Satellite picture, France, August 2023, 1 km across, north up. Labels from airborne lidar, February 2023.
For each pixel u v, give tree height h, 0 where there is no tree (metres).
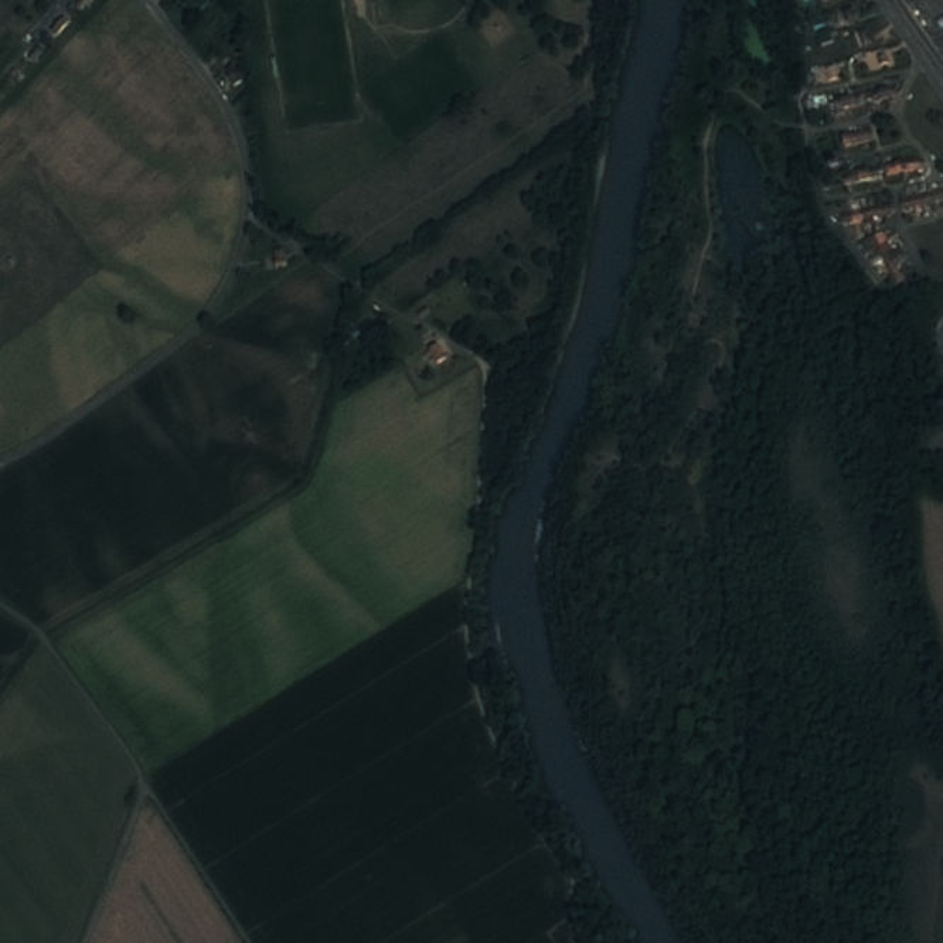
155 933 0
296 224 9
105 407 0
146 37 0
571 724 0
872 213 0
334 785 0
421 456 0
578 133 14
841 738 12
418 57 0
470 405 0
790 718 25
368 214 0
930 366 11
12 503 0
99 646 0
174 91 0
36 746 0
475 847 0
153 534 0
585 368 0
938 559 0
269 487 0
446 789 0
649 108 0
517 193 0
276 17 0
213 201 0
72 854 0
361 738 0
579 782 0
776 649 12
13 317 0
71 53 0
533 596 0
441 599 0
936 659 16
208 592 0
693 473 0
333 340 9
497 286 16
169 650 0
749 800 19
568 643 24
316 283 0
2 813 0
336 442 0
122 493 0
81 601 0
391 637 0
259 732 0
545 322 13
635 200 0
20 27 0
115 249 0
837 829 18
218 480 0
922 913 0
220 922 0
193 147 0
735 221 0
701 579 6
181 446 0
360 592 0
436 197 0
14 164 0
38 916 0
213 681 0
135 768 0
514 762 18
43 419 0
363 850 0
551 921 0
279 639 0
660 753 15
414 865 0
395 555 0
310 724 0
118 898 0
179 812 0
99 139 0
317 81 0
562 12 0
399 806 0
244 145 0
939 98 0
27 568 0
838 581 0
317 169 0
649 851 19
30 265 0
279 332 0
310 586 0
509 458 12
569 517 20
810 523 9
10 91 0
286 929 0
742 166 0
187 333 0
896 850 9
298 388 0
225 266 0
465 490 0
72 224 0
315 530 0
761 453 15
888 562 9
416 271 0
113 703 0
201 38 0
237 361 0
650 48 0
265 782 0
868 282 7
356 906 0
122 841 0
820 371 18
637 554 18
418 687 0
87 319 0
